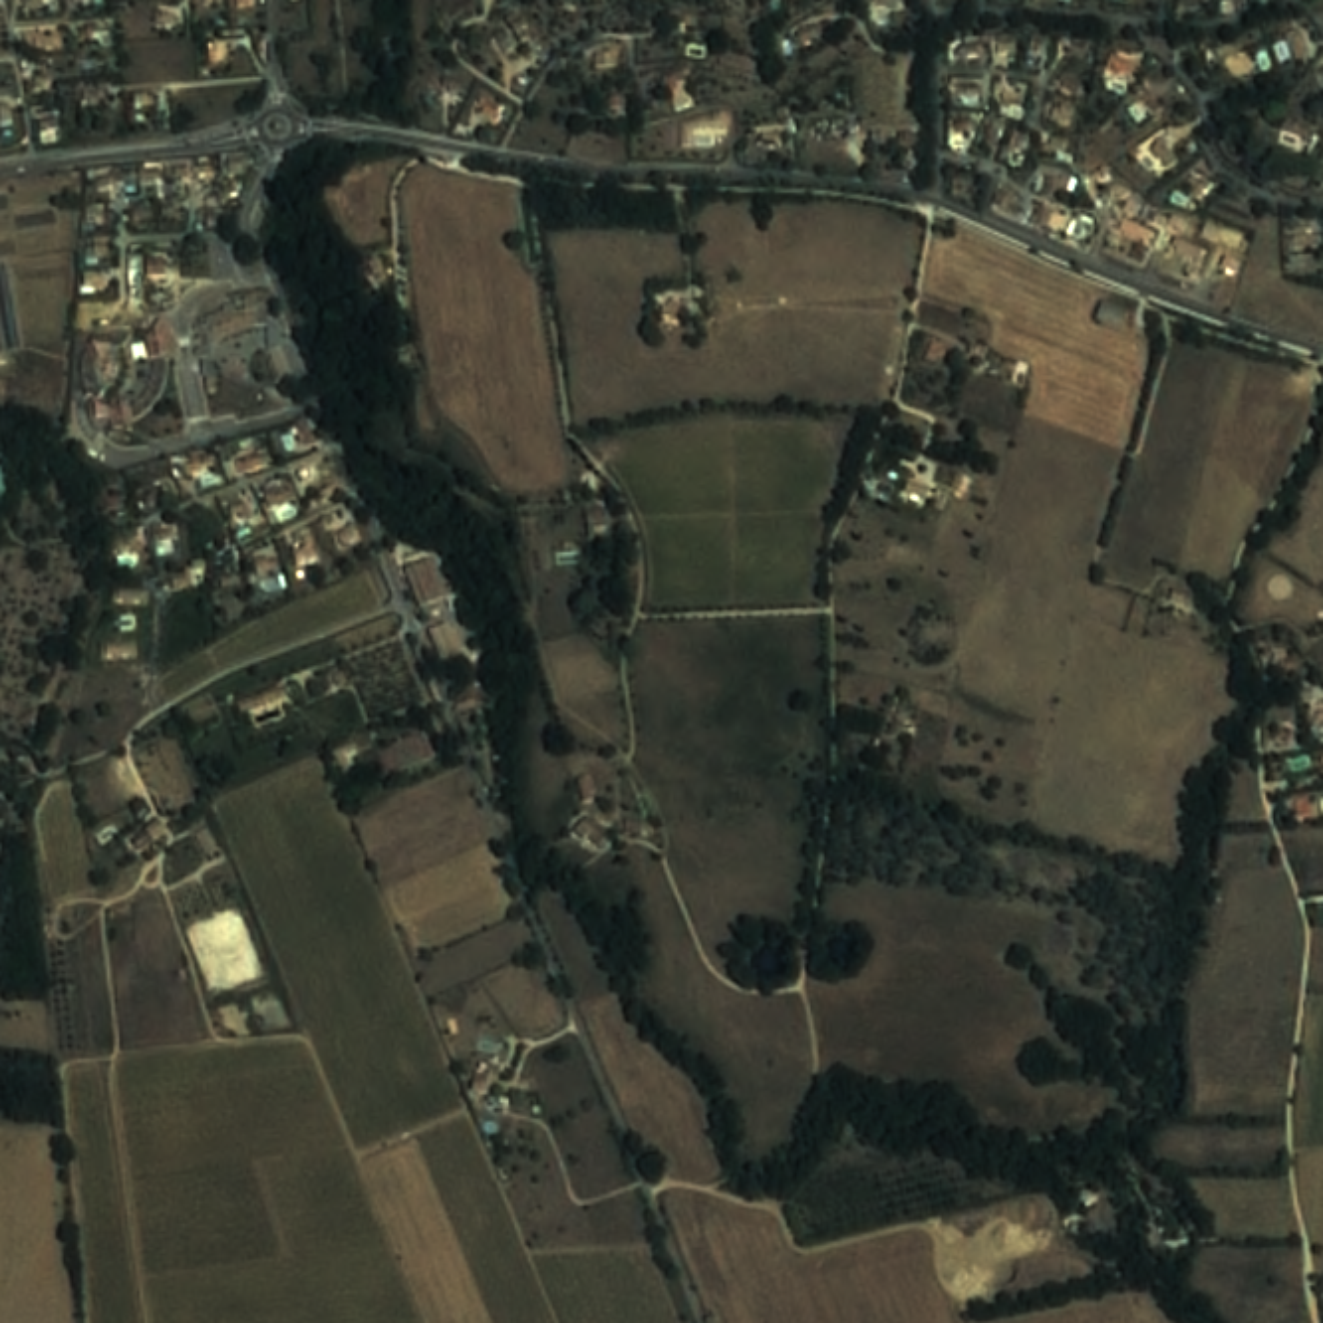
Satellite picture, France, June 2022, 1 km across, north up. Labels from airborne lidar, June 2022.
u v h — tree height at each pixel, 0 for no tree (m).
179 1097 0
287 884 0
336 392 16
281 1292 0
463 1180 0
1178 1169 10
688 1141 0
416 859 0
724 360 0
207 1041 0
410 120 11
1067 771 0
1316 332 0
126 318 0
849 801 16
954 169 9
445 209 0
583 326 0
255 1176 0
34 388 0
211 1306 0
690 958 0
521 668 11
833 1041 0
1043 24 15
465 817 0
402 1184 0
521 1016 0
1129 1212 15
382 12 10
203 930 0
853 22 13
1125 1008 19
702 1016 0
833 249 0
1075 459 0
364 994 0
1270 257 0
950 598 0
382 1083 0
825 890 8
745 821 0
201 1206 0
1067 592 0
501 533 12
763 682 0
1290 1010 0
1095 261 0
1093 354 0
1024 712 0
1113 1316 0
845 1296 0
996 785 8
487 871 0
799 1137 9
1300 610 0
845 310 0
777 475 0
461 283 0
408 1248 0
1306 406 0
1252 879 0
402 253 9
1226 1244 7
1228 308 6
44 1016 0
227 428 0
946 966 0
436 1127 0
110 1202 0
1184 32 15
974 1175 16
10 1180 0
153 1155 0
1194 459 0
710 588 0
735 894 0
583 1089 0
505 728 13
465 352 0
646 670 0
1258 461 0
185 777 0
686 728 0
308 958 0
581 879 17
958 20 14
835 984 9
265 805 0
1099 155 0
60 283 0
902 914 0
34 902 8
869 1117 23
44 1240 0
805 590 0
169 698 0
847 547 18
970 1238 0
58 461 17
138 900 0
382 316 18
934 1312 0
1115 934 15
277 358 0
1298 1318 0
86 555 15
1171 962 16
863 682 0
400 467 9
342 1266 0
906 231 0
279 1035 0
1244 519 0
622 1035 0
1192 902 16
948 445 7
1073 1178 7
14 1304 0
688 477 0
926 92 16
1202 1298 13
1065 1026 16
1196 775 12
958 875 17
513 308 0
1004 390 0
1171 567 8
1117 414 0
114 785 0
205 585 8
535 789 0
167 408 11
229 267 0
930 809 12
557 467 0
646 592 0
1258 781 0
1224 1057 0
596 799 7
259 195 0
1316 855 0
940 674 0
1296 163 18
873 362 0
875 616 0
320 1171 0
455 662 15
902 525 0
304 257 24
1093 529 0
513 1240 0
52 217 0
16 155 0
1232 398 0
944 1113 18
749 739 0
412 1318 0
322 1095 0
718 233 0
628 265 0
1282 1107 0
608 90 7
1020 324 0
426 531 10
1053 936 0
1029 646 0
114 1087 0
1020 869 0
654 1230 12
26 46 9
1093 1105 0
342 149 14
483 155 11
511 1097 9
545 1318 0
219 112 0
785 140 9
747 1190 18
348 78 0
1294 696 14
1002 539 0
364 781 9
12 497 12
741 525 0
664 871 0
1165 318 10
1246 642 12
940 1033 0
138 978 0
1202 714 0
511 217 0
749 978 18
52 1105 8
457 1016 0
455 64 10
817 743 0
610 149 0
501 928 0
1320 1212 0
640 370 0
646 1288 0
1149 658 0
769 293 0
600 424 11
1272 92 19
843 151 0
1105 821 0
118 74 8
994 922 0
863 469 13
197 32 6
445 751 10
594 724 0
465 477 12
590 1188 0
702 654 0
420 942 0
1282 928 0
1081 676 0
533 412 0
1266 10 16
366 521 12
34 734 6
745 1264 0
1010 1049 0
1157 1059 13
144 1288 0
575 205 18
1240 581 12
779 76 16
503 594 11
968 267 0
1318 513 0
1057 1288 10
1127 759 0
